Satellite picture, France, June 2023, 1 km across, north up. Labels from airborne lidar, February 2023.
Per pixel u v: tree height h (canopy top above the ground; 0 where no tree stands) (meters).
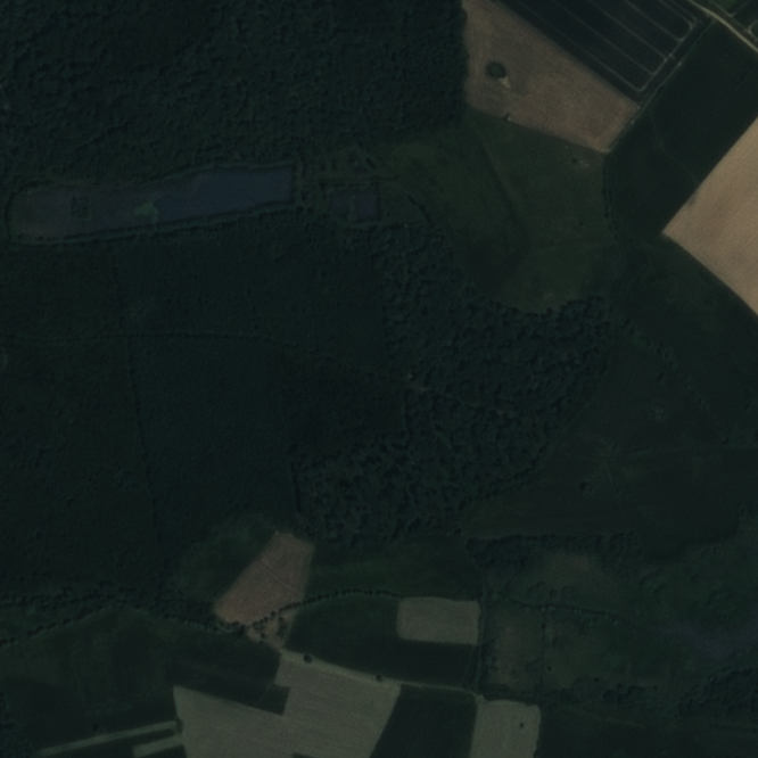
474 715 0
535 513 0
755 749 0
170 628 0
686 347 0
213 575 0
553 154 0
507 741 0
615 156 0
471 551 16
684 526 0
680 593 0
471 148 0
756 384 0
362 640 0
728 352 0
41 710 0
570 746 0
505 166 0
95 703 0
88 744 0
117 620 0
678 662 0
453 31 17
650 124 0
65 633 0
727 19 0
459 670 0
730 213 0
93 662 0
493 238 0
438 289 25
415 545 0
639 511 0
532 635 0
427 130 12
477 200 0
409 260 25
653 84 0
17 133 25
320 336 17
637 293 0
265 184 0
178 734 0
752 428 0
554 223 0
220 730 0
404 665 0
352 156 0
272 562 0
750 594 0
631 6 0
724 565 0
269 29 24
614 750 0
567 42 0
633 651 0
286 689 0
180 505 23
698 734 0
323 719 0
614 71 0
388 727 0
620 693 7
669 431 0
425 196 0
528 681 0
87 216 10
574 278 0
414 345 29
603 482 0
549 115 0
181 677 0
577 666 0
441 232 9
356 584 0
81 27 30
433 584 0
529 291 0
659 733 0
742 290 0
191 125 23
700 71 0
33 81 27
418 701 0
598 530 0
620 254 0
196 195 0
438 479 30
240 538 0
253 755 0
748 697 9
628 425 0
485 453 29
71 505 16
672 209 0
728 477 0
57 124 26
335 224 14
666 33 0
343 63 20
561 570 0
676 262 0
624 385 0
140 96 22
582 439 0
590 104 0
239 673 0
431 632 0
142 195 0
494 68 0
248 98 22
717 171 0
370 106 20
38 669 0
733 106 0
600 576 0
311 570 0
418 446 30
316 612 0
